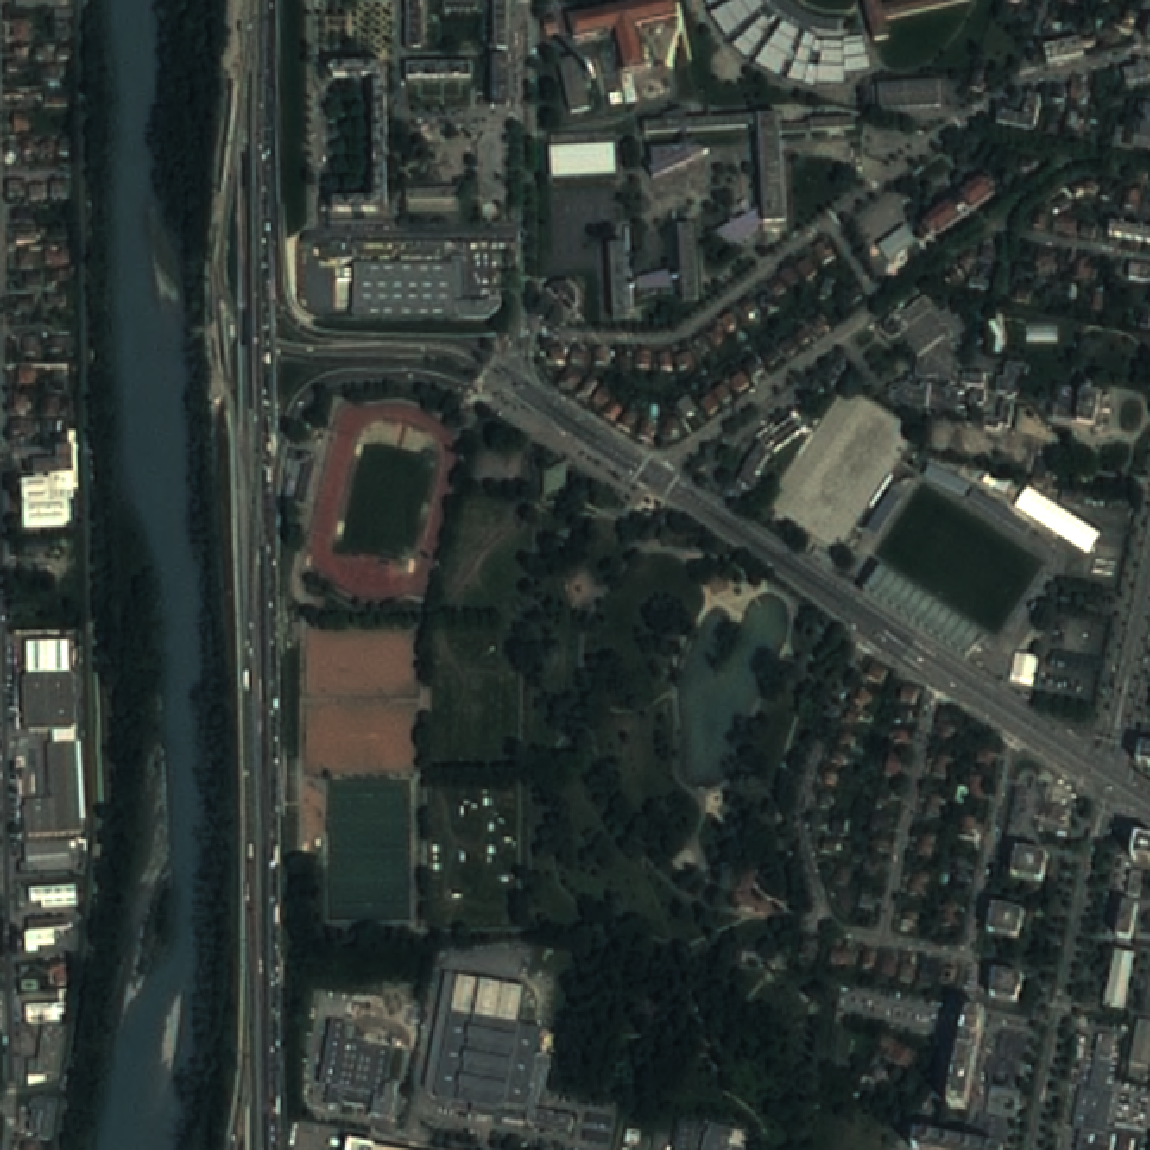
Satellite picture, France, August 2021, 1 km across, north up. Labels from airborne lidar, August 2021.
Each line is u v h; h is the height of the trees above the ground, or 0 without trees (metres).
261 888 0
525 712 0
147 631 11
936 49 0
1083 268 0
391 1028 0
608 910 17
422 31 0
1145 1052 0
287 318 0
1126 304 10
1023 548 0
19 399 0
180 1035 0
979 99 8
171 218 13
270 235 0
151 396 0
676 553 0
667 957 18
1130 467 0
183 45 18
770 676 27
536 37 0
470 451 16
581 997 30
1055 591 11
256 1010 0
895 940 0
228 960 13
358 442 0
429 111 7
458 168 0
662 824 20
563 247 0
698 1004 12
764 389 0
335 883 0
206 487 14
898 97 0
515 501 9
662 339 0
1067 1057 9
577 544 13
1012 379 0
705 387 9
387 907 0
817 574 0
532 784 11
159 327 0
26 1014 0
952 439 0
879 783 7
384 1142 0
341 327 0
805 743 10
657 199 0
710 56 0
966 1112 8
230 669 11
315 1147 0
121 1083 0
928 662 0
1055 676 0
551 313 20
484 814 0
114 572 15
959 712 10
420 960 10
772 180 0
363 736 0
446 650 0
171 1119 0
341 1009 0
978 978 0
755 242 0
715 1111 6
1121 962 0
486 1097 0
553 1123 0
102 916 15
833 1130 0
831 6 0
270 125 0
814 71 0
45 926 0
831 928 16
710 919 25
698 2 0
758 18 0
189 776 0
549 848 16
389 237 0
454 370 8
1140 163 15
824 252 0
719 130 0
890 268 0
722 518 0
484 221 11
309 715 0
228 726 15
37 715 0
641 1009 18
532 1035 0
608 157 0
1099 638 0
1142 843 0
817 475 0
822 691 17
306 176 12
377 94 0
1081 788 0
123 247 0
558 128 19
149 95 0
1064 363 9
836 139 0
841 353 7
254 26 0
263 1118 0
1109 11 10
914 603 0
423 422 0
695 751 0
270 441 0
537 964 0
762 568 15
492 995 0
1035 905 11
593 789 17
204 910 15
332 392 15
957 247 18
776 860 14
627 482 0
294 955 7
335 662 0
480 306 0
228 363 0
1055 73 0
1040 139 19
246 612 0
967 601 0
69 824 0
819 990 16
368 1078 0
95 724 0
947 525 0
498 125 0
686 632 17
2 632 0
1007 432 0
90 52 17
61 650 0
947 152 10
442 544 8
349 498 0
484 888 0
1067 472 22
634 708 14
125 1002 0
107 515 16
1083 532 0
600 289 0
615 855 13
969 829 0
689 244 0
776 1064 12
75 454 0
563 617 10
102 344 15
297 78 0
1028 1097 9
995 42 0
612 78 0
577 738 16
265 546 0
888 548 0
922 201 9
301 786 0
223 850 16
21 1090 0
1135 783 0
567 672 0
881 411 0
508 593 0
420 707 0
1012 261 17
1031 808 0
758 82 11
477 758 0
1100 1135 0
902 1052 0
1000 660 0
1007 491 0
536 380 0
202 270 10
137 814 8
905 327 0
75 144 10
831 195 0
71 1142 19
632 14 0
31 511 0
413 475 0
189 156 17
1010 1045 0
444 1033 0
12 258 0
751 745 11
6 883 0
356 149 21
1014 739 0
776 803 11
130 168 0
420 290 0
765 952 13
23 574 12
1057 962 11
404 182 10
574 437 0
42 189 0
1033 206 14
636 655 0
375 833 0
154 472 0
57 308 6
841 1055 0
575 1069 26
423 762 10
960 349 7
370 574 0
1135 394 0
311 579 11
